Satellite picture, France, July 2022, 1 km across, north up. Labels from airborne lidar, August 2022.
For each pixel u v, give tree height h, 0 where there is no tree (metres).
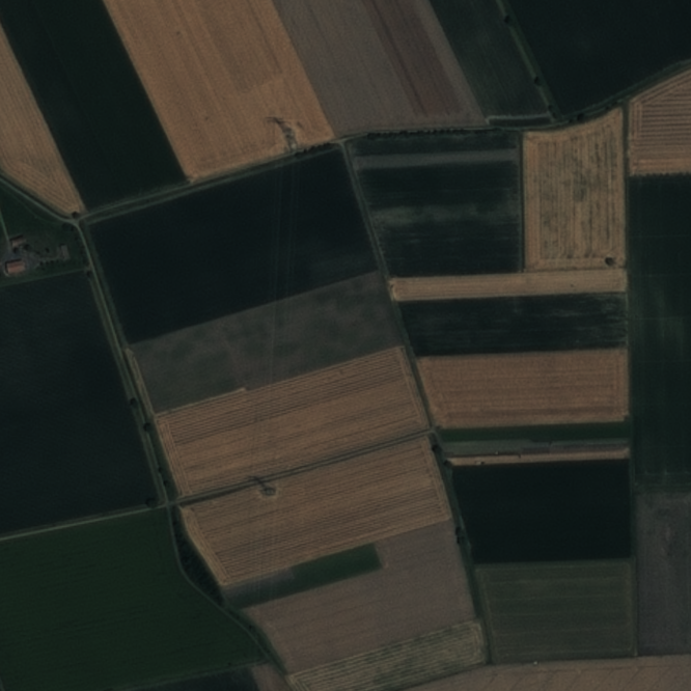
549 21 0
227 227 0
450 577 0
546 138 0
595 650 0
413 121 0
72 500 0
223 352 0
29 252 7
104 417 0
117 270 0
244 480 0
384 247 0
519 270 0
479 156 0
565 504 0
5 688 0
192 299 0
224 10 0
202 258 0
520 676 0
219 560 0
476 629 0
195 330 0
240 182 0
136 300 0
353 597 0
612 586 0
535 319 0
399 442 0
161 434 0
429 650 0
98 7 0
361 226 0
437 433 0
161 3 0
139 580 0
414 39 0
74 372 0
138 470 0
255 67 0
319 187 0
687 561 0
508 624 0
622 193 0
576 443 0
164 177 0
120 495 0
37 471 0
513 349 0
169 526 0
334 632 0
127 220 0
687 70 0
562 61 0
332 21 0
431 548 0
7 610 0
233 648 0
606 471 0
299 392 0
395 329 0
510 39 0
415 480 0
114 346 0
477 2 0
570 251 0
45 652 0
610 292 0
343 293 0
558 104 0
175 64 0
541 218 0
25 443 0
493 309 0
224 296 0
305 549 0
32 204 0
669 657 0
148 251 0
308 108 0
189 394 0
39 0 0
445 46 0
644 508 0
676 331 0
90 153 0
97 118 0
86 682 0
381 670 0
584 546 0
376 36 0
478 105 0
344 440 0
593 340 0
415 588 0
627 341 0
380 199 0
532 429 0
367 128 0
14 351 0
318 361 0
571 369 0
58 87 0
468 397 0
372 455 0
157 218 0
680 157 0
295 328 0
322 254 0
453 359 0
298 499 0
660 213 0
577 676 0
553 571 0
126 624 0
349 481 0
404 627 0
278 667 0
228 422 0
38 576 0
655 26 0
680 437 0
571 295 0
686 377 0
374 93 0
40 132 0
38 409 0
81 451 0
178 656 0
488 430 0
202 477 0
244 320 0
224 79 0
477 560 0
